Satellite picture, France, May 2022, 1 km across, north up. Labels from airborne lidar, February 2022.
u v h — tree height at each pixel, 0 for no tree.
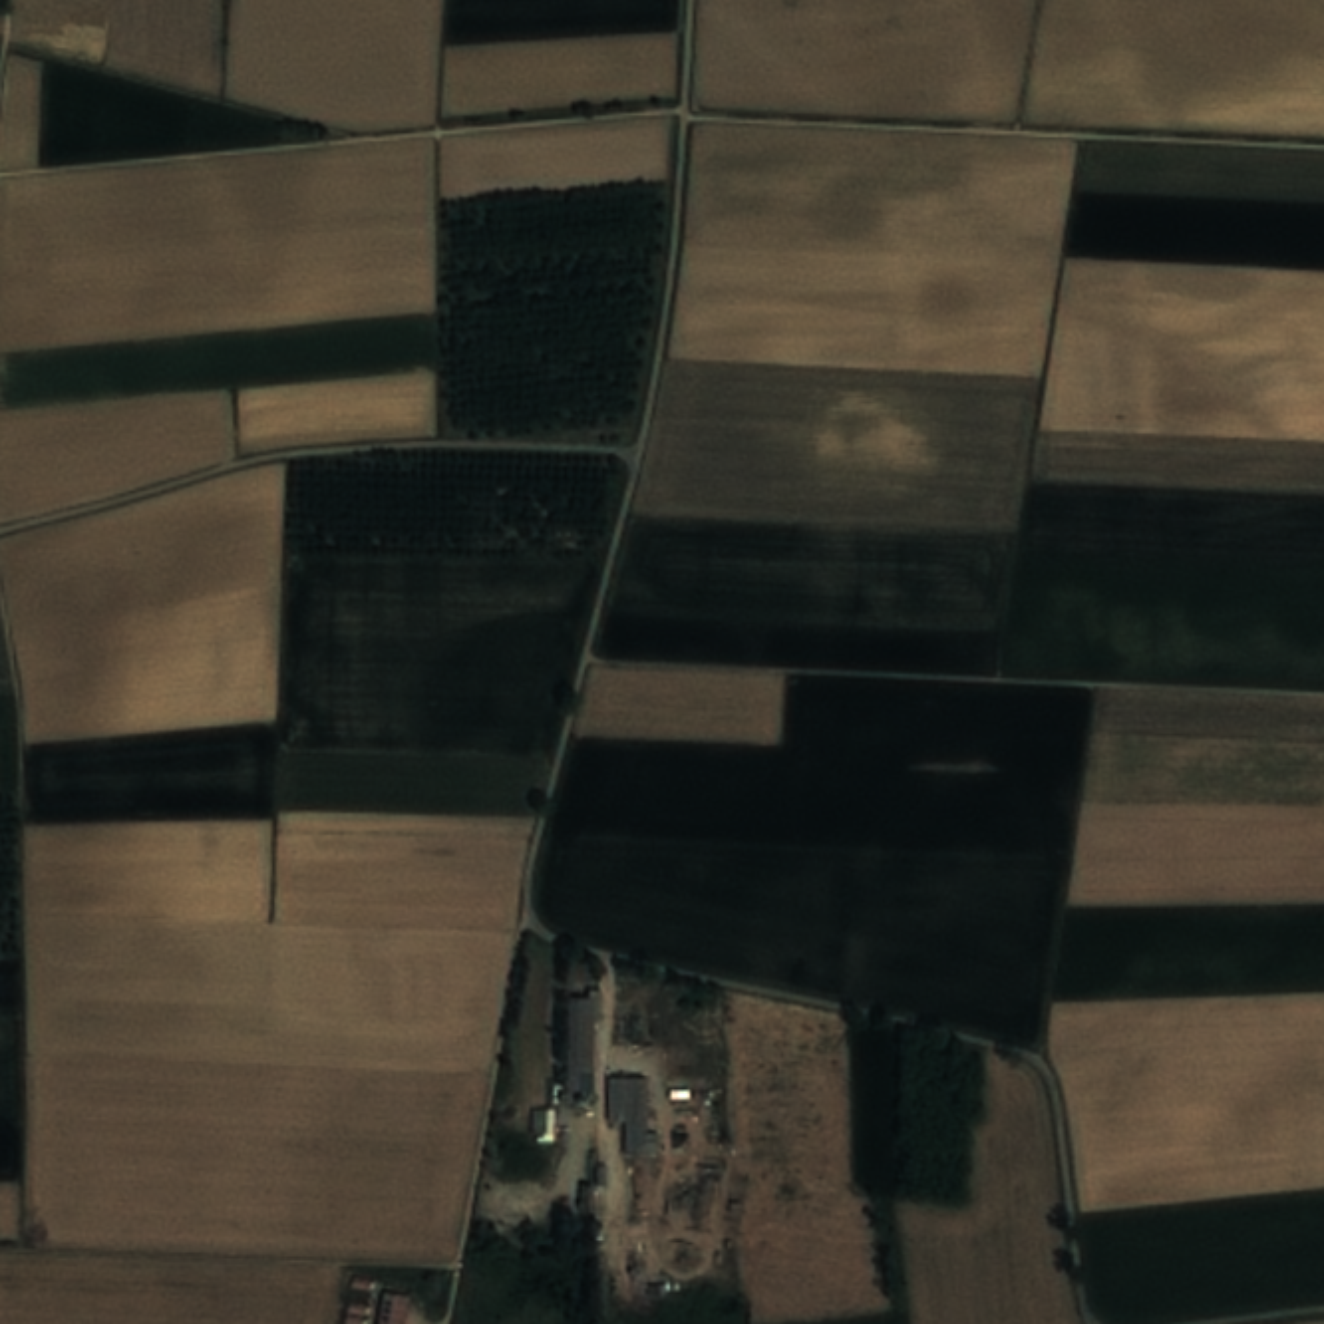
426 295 0
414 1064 0
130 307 0
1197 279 0
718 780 0
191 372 0
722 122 0
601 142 0
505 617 0
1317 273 0
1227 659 0
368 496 8
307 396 0
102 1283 0
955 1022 0
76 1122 0
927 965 0
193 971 0
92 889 0
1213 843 0
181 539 0
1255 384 0
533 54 0
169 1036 0
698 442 0
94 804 0
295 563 0
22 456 0
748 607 0
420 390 0
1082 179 0
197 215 0
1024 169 0
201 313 0
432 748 0
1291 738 0
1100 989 0
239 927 0
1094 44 0
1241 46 0
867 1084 0
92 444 0
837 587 0
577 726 0
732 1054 18
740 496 0
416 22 0
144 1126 0
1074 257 0
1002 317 0
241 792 0
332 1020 0
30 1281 0
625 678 0
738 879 0
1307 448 0
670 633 0
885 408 0
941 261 0
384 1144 0
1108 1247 0
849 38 0
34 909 0
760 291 0
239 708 0
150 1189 0
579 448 0
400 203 0
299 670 0
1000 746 0
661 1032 0
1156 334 0
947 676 0
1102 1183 0
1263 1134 0
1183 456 0
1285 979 0
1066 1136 0
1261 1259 0
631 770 0
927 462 0
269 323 0
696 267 0
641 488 0
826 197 0
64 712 0
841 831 0
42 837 0
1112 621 0
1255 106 0
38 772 0
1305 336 0
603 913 0
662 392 0
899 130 0
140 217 0
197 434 0
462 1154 0
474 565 0
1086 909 0
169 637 0
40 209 0
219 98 0
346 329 0
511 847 0
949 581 0
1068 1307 0
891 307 0
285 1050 0
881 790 0
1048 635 0
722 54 0
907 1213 0
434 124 0
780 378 0
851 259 0
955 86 0
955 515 0
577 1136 0
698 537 0
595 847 0
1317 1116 0
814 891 0
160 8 0
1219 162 0
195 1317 0
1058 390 0
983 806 0
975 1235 0
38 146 0
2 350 0
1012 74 0
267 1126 0
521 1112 0
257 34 0
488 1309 0
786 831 0
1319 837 0
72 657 0
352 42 0
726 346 0
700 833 0
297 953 0
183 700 0
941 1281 0
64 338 0
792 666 0
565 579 0
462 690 0
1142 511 0
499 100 0
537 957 0
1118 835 0
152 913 0
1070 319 0
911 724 0
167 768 0
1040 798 0
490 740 0
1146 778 0
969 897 0
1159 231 0
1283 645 0
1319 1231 0
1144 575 0
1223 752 0
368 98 0
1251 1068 0
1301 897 0
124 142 0
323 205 0
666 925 0
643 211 9
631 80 0
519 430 6
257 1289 0
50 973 0
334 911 0
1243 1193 0
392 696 0
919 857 0
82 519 0
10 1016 0
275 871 0
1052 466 0
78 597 0
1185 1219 0
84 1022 0
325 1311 0
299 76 0
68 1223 0
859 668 0
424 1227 0
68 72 0
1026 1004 0
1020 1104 0
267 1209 0
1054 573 0
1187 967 0
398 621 0
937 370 0
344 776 0
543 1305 0
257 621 0
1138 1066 0
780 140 0
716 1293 0
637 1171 0
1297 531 0
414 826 0
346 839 0
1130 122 0
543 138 0
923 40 0
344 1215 0
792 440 0
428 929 0
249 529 0
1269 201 0
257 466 0
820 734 0
